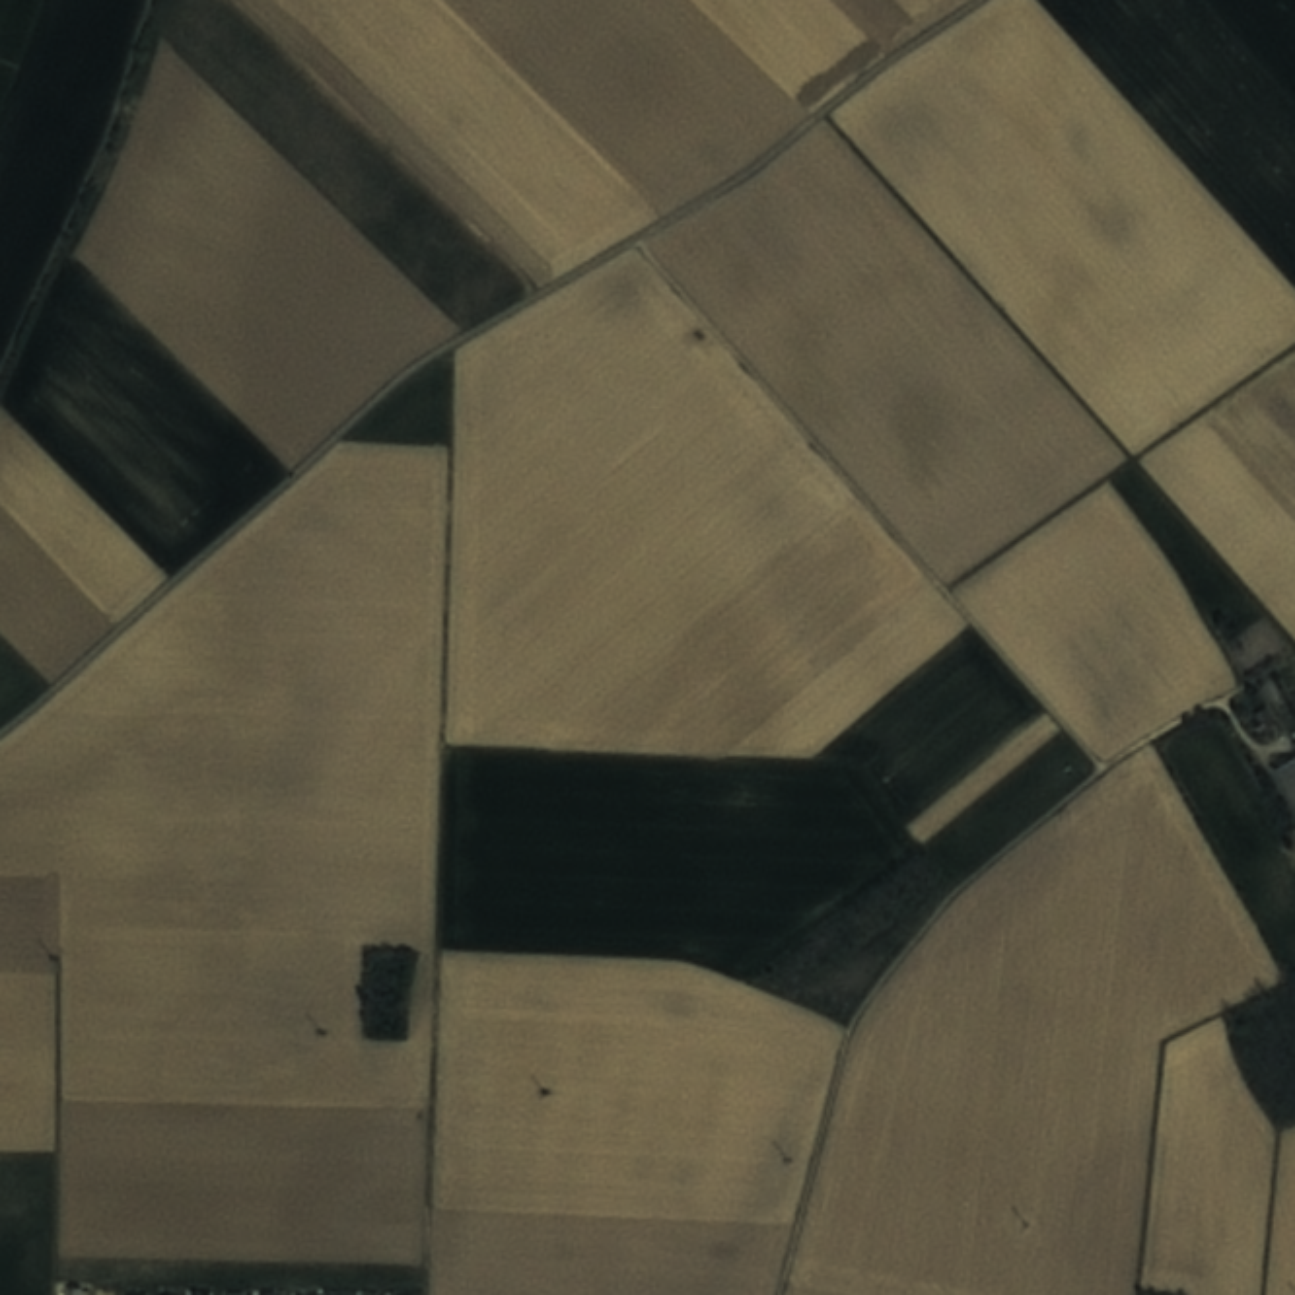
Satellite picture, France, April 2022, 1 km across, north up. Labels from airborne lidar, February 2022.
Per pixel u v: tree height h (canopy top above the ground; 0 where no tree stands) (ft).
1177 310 0
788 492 0
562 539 0
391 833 0
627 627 0
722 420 0
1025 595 0
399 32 0
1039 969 0
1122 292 0
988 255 0
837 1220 0
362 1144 0
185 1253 0
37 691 0
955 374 0
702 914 0
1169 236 0
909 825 0
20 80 0
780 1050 0
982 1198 0
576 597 0
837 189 0
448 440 0
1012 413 0
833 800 0
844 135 0
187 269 0
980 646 0
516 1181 0
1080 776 0
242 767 0
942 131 0
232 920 0
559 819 0
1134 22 0
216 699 0
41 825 0
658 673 0
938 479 0
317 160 0
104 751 0
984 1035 0
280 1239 0
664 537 0
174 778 0
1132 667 0
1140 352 0
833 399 0
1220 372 0
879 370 0
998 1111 0
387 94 0
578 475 0
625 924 0
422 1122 0
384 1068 0
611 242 0
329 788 0
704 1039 0
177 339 0
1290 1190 0
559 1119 0
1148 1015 0
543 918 0
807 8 0
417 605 0
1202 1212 0
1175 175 0
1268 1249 0
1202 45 0
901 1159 0
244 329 0
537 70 0
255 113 0
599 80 0
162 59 0
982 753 0
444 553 0
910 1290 0
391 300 0
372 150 0
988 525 0
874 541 0
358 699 0
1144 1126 0
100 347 0
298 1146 0
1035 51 0
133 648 0
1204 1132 0
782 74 0
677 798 0
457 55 0
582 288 0
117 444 0
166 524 0
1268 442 0
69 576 0
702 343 0
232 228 0
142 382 0
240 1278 0
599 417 0
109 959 0
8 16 0
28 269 0
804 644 0
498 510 0
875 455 0
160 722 0
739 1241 0
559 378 0
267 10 0
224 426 0
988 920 0
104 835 0
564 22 0
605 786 0
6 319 0
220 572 0
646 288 0
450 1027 0
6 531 0
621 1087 0
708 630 0
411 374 0
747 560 0
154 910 0
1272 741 0
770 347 0
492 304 0
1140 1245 0
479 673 0
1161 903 0
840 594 0
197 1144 0
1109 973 0
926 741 0
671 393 0
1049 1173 0
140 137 0
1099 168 0
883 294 0
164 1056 0
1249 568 0
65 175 0
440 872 0
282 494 0
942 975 0
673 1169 0
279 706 0
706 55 0
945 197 0
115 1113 0
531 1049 0
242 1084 0
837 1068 0
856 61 0
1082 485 0
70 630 0
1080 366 0
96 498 0
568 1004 0
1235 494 0
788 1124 0
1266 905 0
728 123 0
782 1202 0
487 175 0
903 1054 0
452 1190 0
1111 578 0
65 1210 0
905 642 0
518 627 0
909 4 0
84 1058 0
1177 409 0
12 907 0
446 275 0
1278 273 0
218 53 0
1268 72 0
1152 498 0
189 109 0
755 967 0
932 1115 0
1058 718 0
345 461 0
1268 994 55
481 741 0
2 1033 0
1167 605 0
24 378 0
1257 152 0
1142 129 0
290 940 0
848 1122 0
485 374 0
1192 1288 0
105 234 0
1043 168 0
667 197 0
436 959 0
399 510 0
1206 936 0
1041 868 0
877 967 0
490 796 0
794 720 0
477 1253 0
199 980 0
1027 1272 0
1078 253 0
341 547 0
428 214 0
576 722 0
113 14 0
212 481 0
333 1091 0
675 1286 0
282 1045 0
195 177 0
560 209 0
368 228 0
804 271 0
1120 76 0
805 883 0
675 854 0
